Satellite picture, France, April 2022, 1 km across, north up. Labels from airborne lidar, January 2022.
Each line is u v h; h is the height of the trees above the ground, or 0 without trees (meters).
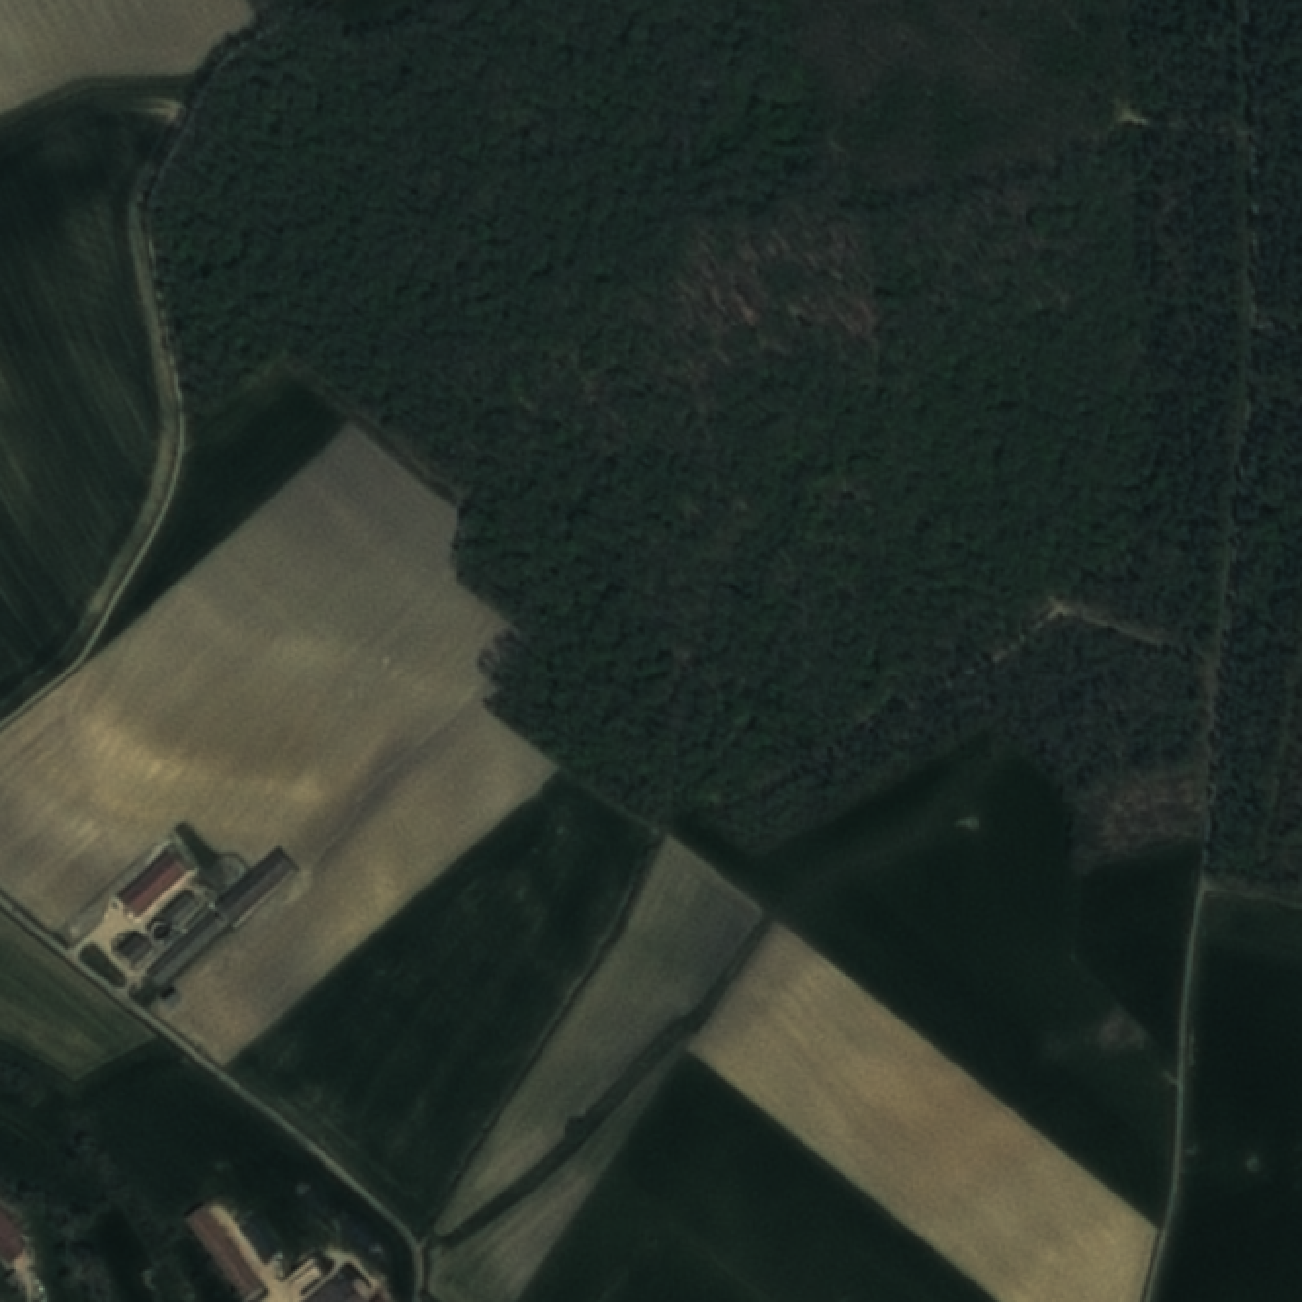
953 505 22
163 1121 0
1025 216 25
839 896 0
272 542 0
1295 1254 0
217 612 0
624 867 0
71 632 0
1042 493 24
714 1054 0
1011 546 23
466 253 25
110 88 0
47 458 0
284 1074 0
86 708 0
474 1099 0
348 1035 0
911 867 0
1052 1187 0
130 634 0
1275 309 21
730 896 0
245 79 26
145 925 0
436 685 0
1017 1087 0
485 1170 0
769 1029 0
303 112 27
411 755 0
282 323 21
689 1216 0
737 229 28
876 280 24
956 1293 0
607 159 24
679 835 0
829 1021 0
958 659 22
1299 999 0
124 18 0
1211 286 24
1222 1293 0
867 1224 0
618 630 26
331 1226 0
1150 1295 0
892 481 22
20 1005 0
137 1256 0
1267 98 27
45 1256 0
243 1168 0
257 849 0
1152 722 10
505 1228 0
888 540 24
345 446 0
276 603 0
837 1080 0
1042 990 0
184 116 0
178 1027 0
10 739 0
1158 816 0
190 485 0
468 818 0
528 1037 0
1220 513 23
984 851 0
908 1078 0
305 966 0
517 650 20
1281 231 25
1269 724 24
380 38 21
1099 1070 0
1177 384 24
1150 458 22
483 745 0
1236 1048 0
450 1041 0
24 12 0
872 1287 0
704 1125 0
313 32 22
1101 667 12
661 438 20
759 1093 0
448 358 22
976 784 0
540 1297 0
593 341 20
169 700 0
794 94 27
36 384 0
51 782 0
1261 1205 0
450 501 0
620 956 0
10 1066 5
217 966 0
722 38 24
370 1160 0
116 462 0
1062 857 0
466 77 24
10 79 0
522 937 0
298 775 0
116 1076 0
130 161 0
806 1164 0
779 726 21
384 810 0
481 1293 0
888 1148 0
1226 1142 0
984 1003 0
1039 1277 0
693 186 26
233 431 0
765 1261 0
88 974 0
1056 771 10
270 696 0
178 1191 0
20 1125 0
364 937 0
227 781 0
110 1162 17
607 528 26
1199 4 26
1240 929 0
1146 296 26
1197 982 0
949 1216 0
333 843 0
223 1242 0
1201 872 0
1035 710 14
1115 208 27
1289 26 26
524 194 22
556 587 24
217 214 25
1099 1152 0
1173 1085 0
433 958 0
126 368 0
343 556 0
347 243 24
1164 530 24
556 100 23
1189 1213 0
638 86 25
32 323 0
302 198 27
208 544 0
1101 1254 0
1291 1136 0
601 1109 0
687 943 0
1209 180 26
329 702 0
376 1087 0
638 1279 0
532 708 22
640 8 28
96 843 0
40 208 0
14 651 0
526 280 21
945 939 0
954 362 25
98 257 0
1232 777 19
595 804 0
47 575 0
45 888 0
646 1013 0
